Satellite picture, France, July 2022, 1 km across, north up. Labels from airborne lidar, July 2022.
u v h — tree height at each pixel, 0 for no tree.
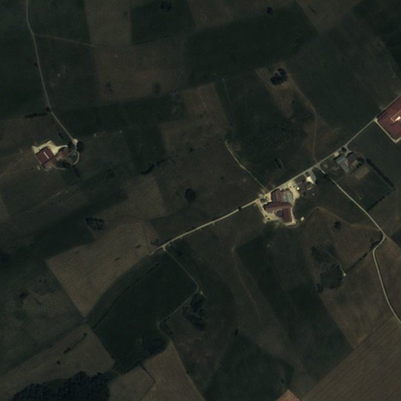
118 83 0
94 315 0
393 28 0
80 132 0
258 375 0
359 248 0
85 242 0
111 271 0
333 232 0
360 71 0
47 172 0
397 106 0
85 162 0
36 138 0
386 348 0
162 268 0
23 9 0
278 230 0
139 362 7
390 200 0
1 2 0
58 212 0
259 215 0
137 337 0
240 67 0
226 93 0
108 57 0
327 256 0
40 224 0
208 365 0
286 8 0
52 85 0
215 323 0
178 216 0
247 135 0
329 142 0
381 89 0
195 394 0
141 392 0
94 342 0
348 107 0
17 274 0
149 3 0
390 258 0
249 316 0
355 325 0
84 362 0
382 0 0
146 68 0
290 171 0
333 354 0
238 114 0
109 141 0
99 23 0
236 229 0
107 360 0
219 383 0
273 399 0
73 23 0
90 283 0
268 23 0
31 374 0
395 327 0
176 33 0
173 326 0
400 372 0
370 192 0
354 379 0
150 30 0
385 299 0
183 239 0
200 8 0
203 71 0
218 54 0
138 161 0
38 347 0
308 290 0
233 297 0
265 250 0
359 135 0
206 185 0
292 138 0
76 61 0
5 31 0
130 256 0
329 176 13
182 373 0
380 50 0
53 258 0
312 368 0
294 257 0
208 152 0
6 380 0
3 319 0
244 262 0
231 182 0
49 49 0
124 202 0
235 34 0
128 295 0
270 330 0
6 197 0
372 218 0
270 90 0
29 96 0
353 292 0
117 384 0
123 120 0
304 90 0
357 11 0
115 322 0
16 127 0
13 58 0
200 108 0
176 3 0
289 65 0
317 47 0
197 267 0
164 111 0
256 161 0
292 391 0
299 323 0
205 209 0
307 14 0
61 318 0
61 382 0
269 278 0
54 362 0
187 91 0
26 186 0
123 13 0
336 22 0
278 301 0
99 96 0
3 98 0
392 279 0
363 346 0
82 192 0
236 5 0
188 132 0
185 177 0
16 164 0
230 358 0
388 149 0
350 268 0
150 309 0
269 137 0
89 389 22
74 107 0
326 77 0
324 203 0
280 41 0
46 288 0
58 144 0
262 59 0
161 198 0
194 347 0
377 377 0
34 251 0
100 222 16
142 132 0
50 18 0
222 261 0
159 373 0
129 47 0
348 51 0
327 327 0
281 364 0
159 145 0
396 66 0
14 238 0
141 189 0
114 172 0
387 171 0
